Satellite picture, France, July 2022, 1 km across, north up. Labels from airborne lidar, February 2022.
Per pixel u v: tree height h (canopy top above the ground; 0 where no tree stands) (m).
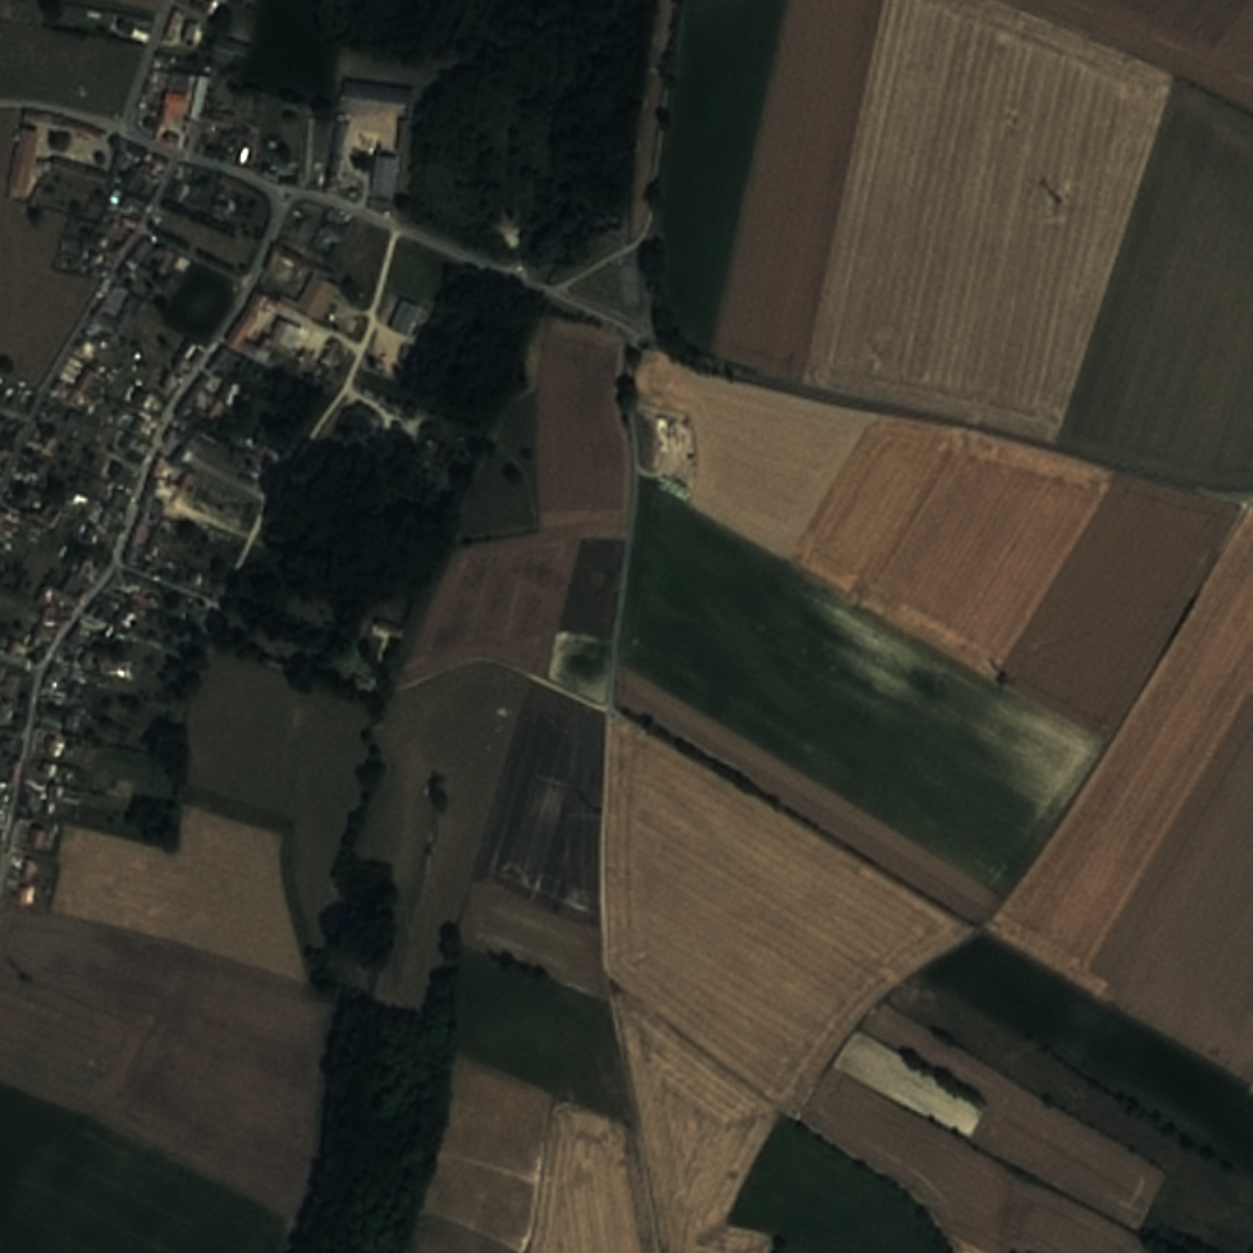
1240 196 0
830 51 0
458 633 0
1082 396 0
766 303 0
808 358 0
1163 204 0
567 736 0
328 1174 19
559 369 0
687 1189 0
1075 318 0
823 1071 0
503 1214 0
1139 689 0
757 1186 0
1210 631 0
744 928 0
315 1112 0
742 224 0
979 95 0
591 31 23
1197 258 0
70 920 0
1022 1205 0
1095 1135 0
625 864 0
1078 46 0
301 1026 0
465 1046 0
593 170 21
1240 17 0
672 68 14
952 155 0
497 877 0
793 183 0
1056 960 0
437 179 0
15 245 0
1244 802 0
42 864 0
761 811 0
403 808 0
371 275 0
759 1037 0
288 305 0
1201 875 0
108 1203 0
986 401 0
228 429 8
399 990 0
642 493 0
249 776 0
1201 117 0
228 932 0
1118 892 0
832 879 0
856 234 0
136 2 0
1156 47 0
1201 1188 0
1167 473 0
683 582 0
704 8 0
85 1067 0
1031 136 0
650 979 0
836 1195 0
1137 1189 0
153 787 0
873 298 0
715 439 0
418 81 0
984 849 0
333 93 0
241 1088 0
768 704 0
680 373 0
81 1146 0
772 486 0
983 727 0
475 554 0
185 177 0
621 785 0
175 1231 0
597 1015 0
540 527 0
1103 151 0
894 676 0
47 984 0
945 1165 0
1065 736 0
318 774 0
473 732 0
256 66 0
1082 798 0
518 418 0
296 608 0
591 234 8
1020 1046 0
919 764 0
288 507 35
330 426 0
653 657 0
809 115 0
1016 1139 0
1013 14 0
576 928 0
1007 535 0
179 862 0
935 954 0
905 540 0
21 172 0
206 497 0
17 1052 0
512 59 21
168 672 7
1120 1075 0
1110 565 0
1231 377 0
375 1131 17
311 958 10
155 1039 0
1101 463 0
